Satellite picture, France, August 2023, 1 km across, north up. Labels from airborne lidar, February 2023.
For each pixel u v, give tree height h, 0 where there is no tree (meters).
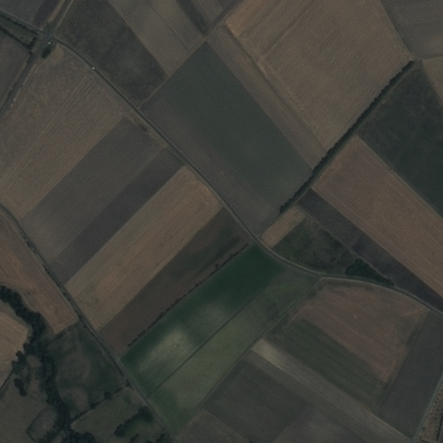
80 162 0
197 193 0
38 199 0
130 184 0
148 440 0
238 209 0
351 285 0
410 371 0
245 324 0
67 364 0
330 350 0
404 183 0
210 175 0
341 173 0
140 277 0
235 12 0
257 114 0
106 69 0
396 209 0
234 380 0
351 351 0
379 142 0
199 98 0
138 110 0
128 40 0
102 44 0
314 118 0
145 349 0
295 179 0
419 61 0
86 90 0
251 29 0
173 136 0
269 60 0
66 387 0
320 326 0
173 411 0
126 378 0
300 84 0
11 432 0
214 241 0
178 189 0
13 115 0
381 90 0
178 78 0
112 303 0
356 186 0
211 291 0
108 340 0
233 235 0
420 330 0
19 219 0
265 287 0
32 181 0
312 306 0
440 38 0
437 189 0
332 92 0
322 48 0
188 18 0
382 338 0
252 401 0
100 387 0
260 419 0
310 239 0
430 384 0
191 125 0
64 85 0
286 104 0
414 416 0
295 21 0
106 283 0
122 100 0
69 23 0
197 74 0
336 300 0
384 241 0
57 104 0
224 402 0
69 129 0
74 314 0
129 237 0
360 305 0
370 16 0
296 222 0
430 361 0
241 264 0
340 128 0
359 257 0
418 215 0
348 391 0
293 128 0
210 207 0
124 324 0
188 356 0
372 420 0
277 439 0
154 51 0
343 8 0
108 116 0
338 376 0
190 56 0
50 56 0
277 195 0
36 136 0
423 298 0
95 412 0
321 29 0
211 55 0
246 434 0
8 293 13
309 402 0
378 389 0
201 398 0
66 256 0
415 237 0
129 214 0
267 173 0
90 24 0
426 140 0
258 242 0
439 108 0
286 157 0
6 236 0
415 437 0
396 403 0
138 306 0
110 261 0
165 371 0
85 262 0
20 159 0
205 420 0
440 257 0
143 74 0
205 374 0
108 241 0
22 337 0
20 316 8
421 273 0
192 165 0
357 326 0
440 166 0
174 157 0
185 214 0
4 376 0
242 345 0
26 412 0
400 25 0
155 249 0
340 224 0
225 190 0
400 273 0
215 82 0
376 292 0
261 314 0
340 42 0
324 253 0
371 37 0
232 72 0
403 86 0
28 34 0
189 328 0
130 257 0
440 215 0
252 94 0
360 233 0
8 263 0
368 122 0
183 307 0
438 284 0
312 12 0
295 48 0
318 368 0
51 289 0
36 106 0
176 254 0
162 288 0
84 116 0
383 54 0
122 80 0
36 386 0
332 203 0
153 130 0
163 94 0
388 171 0
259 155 0
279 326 0
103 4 0
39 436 0
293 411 0
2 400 0
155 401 0
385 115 0
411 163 0
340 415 0
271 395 0
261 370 0
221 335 0
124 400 0
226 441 0
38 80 0
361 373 0
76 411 0
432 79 0
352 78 0
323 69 0
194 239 0
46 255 0
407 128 0
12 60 0
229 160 0
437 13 0
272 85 0
